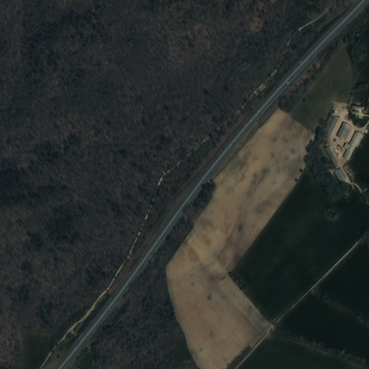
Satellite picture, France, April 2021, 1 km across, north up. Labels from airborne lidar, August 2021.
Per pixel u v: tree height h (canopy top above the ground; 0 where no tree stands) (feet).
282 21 34
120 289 0
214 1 46
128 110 66
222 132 44
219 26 63
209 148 33
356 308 0
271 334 0
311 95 0
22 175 73
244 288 45
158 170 63
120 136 59
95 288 59
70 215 62
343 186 80
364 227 0
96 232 68
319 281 0
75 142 78
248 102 26
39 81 29
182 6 26
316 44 0
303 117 0
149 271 43
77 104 45
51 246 59
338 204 0
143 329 27
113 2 45
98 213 57
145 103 54
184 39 50
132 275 0
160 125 31
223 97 62
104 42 55
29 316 41
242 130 0
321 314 0
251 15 77
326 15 18
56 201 60
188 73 54
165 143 78
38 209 58
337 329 0
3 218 73
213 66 58
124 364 36
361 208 0
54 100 41
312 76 71
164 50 51
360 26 19
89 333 0
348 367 0
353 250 0
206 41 61
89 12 34
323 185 69
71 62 54
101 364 24
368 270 0
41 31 49
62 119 50
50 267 66
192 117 59
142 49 53
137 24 51
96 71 52
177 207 0
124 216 56
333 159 0
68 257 76
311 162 79
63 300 40
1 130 65
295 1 32
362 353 0
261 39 59
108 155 56
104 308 0
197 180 0
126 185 60
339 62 0
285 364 0
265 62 77
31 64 35
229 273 27
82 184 58
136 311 42
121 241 50
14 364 27
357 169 0
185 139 52
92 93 52
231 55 65
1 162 45
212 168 0
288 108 72
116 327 30
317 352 0
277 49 60
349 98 0
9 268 62
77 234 56
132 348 33
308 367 0
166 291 50
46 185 56
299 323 0
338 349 39
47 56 51
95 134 52
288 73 0
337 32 0
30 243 42
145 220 24
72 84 41
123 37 23
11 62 63
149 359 18
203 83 57
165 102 53
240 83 65
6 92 58
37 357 0
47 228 65
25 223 57
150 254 0
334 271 0
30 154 58
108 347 55
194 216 60
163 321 65
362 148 0
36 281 38
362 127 0
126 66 62
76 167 67
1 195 83
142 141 58
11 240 57
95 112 56
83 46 47
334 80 0
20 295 46
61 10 44
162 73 57
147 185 51
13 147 60
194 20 54
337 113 0
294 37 68
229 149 0
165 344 27
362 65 0
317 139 38
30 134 58
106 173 54
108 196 64
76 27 39
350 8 0
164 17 56
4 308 44
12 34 57
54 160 90
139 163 58
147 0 52
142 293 58
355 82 0
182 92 51
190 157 31
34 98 45
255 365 0
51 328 39
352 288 0
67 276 72
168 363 19
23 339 0
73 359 0
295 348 0
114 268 30
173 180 25
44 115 52
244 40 72
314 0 82
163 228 0
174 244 40
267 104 0
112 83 51
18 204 80
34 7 57
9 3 55
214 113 57
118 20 49
